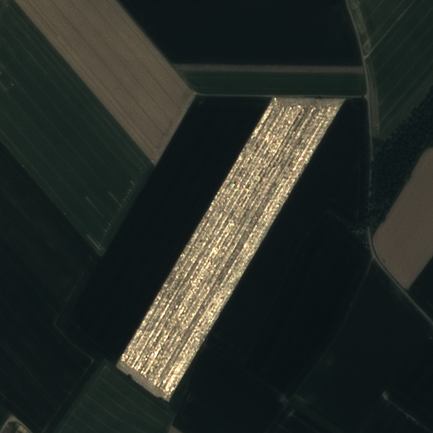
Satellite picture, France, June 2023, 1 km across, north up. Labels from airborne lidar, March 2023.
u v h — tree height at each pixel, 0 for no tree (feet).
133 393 0
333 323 0
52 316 0
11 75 0
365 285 0
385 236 0
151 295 0
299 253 0
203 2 0
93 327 0
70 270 0
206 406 0
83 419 0
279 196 0
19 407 0
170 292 0
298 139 0
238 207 0
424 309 0
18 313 0
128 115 0
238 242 0
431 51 0
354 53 0
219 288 0
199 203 0
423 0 0
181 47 0
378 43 0
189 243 0
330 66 0
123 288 0
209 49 0
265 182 0
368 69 0
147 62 0
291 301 0
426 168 0
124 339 0
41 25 0
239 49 0
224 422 0
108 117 0
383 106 0
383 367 0
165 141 0
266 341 0
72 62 0
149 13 0
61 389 0
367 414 0
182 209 0
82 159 0
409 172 57
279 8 0
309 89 0
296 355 0
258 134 0
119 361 0
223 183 0
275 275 0
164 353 0
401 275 0
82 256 0
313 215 0
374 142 0
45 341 0
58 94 0
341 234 0
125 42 0
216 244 0
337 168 0
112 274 0
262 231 0
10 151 0
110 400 0
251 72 0
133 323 0
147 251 0
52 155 0
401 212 0
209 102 0
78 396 0
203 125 0
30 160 0
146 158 0
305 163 0
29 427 0
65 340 0
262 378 0
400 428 0
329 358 0
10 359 0
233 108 0
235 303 0
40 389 0
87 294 0
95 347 0
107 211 0
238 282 0
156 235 0
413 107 0
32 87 0
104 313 0
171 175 0
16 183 0
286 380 0
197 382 0
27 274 0
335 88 0
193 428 0
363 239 18
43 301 0
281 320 0
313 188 0
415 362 0
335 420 0
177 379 0
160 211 0
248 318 0
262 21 0
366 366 0
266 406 0
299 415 0
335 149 0
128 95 0
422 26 0
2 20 0
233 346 0
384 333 0
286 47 0
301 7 0
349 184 0
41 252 0
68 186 0
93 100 0
